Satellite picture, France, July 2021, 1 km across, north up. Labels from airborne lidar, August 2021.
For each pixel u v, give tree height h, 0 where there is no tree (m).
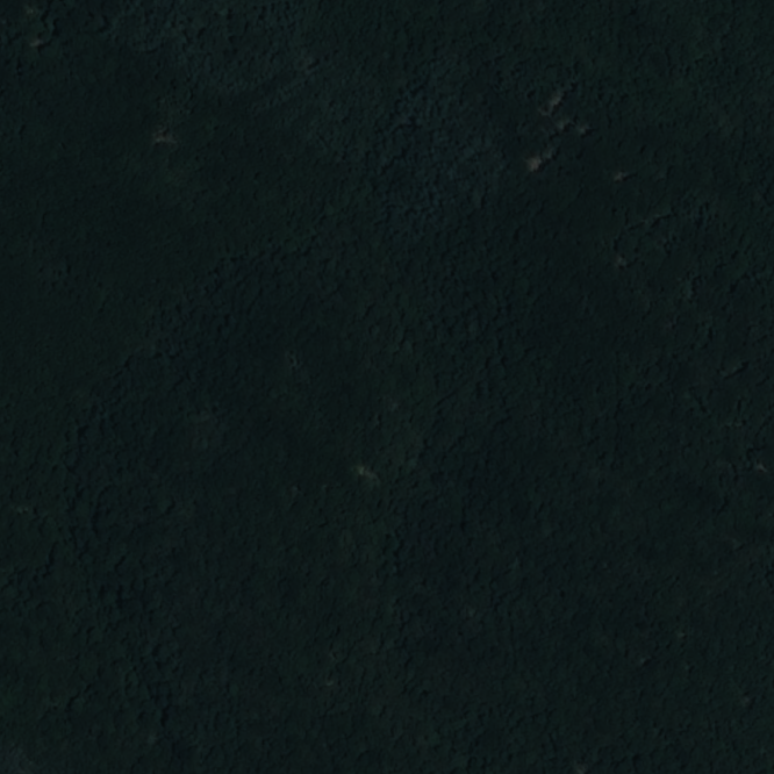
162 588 20
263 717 17
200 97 22
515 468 23
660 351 21
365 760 21
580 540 19
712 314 17
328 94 30
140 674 18
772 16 27
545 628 18
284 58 25
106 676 32
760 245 11
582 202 25
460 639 18
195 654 16
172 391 21
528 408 16
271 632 14
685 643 13
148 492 18
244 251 11
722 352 23
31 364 27
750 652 24
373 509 28
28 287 26
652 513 23
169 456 23
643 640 16
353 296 21
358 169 24
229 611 23
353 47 20
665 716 22
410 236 28
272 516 22
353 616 21
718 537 18
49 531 36
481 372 15
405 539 16
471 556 21
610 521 23
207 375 26
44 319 22
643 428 21
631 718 20
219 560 19
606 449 20
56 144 24
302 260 23
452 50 23
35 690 19
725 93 19
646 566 16
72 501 15
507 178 23
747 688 21
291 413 10
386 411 22
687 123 14
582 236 26
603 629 19
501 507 24
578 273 20
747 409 22
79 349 27
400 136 33
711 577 22
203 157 24
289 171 25
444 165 20
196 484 24
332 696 21
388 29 15
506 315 19
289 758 18
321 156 23
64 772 8
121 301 23
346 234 17
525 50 20
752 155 22
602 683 22
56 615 26
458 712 17
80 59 24
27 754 7
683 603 13
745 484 25
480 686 17
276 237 20
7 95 25
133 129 26
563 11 21
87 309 23
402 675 24
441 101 21
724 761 19
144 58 26
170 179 22
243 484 20
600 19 13
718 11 30
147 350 22
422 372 23
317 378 16
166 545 19
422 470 21
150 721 31
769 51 21
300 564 20
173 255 23
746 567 18
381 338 22
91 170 25
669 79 20
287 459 15
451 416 27
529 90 23
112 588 22
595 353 25
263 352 23
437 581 22
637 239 25
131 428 23
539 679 22
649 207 28
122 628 20
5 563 18
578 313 21
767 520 20
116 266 27
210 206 25
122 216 27
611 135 25
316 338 25
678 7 18
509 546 25
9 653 23
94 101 24
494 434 16
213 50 28
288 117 24
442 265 17
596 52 11
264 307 21
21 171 25
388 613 28
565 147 26
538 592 17
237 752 18
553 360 25
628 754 17
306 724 19
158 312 10
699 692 23
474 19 22
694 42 23
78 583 23
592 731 18
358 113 28
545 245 21
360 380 23
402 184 26
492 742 27
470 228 20
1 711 10
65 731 25
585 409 26
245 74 25
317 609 17
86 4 30
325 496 27
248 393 21
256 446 23
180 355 19
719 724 18
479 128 20
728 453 28
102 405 20
